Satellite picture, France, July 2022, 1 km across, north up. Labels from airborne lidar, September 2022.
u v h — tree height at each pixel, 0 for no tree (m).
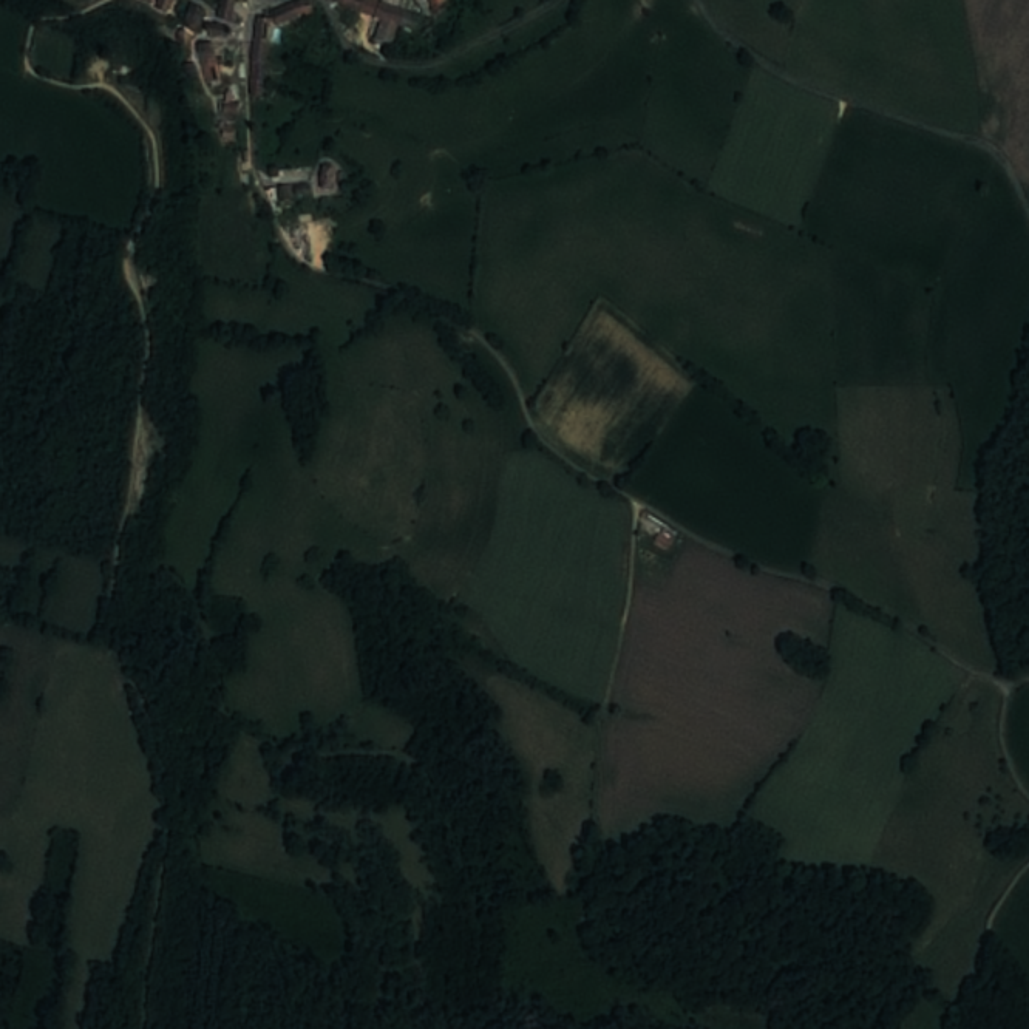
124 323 13
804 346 0
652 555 0
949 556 0
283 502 0
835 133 0
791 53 0
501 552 0
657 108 0
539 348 0
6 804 0
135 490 0
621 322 0
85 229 15
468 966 12
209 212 0
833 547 0
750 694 0
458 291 0
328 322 0
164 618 17
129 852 0
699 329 0
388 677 12
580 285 0
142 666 11
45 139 0
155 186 0
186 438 23
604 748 0
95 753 0
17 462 14
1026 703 0
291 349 10
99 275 10
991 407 0
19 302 20
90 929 0
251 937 29
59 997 23
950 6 0
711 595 0
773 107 0
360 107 0
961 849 0
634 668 0
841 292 0
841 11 0
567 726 0
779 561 0
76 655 0
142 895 6
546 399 0
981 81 0
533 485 0
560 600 0
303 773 26
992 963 23
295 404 20
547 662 0
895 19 0
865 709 0
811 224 0
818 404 0
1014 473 15
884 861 0
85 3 0
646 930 26
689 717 0
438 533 0
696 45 0
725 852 18
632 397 0
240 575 0
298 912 0
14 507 15
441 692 7
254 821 0
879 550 0
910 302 0
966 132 0
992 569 20
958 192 0
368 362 0
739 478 0
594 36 0
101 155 0
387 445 0
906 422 0
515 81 0
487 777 29
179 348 21
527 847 8
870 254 0
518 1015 30
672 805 0
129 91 0
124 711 0
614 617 0
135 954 14
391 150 0
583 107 0
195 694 19
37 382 9
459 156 0
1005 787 0
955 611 0
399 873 21
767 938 30
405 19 0
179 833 18
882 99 0
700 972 30
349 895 17
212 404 0
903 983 23
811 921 22
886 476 0
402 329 0
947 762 0
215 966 22
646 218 0
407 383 0
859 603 17
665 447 0
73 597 0
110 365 13
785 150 0
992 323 0
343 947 0
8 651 12
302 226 0
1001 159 0
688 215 0
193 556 0
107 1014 20
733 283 0
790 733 0
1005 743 0
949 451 0
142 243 13
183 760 18
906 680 0
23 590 16
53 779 0
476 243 7
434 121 0
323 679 0
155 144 0
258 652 0
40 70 11
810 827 0
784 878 16
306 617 0
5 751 0
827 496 0
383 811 15
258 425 0
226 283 15
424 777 16
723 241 0
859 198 0
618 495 10
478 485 0
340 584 15
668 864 26
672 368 0
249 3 0
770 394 0
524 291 0
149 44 7
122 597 19
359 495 0
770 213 0
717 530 0
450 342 24
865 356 0
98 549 10
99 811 0
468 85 12
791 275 0
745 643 0
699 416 0
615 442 0
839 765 0
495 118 0
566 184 0
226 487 0
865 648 0
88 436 7
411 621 19
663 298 0
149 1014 7
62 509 7
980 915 0
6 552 0
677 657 0
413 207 0
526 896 16
